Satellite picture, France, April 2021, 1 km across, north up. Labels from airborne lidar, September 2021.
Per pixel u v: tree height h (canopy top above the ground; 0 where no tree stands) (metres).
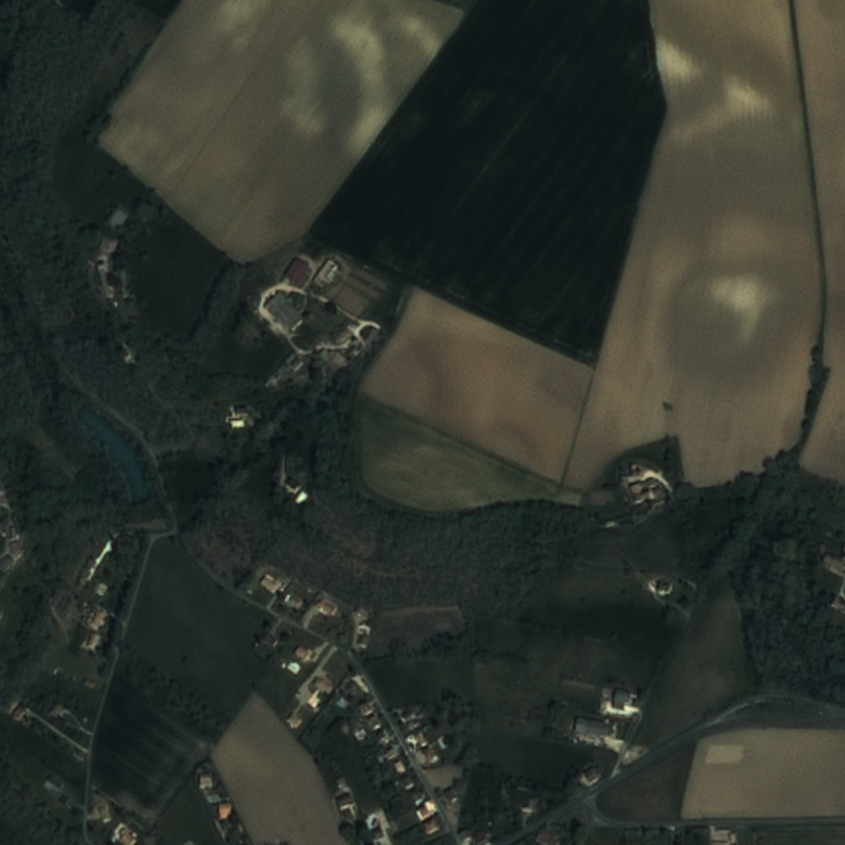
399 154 0
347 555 16
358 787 0
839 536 6
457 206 0
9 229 8
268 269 0
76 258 15
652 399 0
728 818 0
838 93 0
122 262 15
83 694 0
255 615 0
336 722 7
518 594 24
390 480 0
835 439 0
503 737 0
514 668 0
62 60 19
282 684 0
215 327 20
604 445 0
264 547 14
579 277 0
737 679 0
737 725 0
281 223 0
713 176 0
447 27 0
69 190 0
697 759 0
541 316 0
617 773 0
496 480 0
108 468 13
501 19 0
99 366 20
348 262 0
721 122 0
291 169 0
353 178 0
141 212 18
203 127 0
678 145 0
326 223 0
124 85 7
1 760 15
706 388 0
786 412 0
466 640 12
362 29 0
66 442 13
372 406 0
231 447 20
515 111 0
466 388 0
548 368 0
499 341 0
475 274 0
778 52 0
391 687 0
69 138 0
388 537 16
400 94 0
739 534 20
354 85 0
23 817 10
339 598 18
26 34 17
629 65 0
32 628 17
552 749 0
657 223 0
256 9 0
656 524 0
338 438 13
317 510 12
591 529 14
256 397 14
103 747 0
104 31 16
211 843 0
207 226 0
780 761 0
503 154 0
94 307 10
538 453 0
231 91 0
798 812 0
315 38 0
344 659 0
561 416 0
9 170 28
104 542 12
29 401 27
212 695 0
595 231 0
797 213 0
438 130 0
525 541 11
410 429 0
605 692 0
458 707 26
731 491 9
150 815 0
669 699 0
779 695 18
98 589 0
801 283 0
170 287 0
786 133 0
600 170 0
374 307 0
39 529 19
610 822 0
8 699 27
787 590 29
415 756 0
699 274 0
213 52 0
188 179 0
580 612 0
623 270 0
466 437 0
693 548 0
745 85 0
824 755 0
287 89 0
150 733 0
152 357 17
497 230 0
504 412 0
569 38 0
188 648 0
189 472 0
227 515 9
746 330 0
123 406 18
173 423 21
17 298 14
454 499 0
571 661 0
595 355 0
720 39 0
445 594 20
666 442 7
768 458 0
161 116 0
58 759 0
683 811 0
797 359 0
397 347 0
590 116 0
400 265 0
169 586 0
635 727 0
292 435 23
